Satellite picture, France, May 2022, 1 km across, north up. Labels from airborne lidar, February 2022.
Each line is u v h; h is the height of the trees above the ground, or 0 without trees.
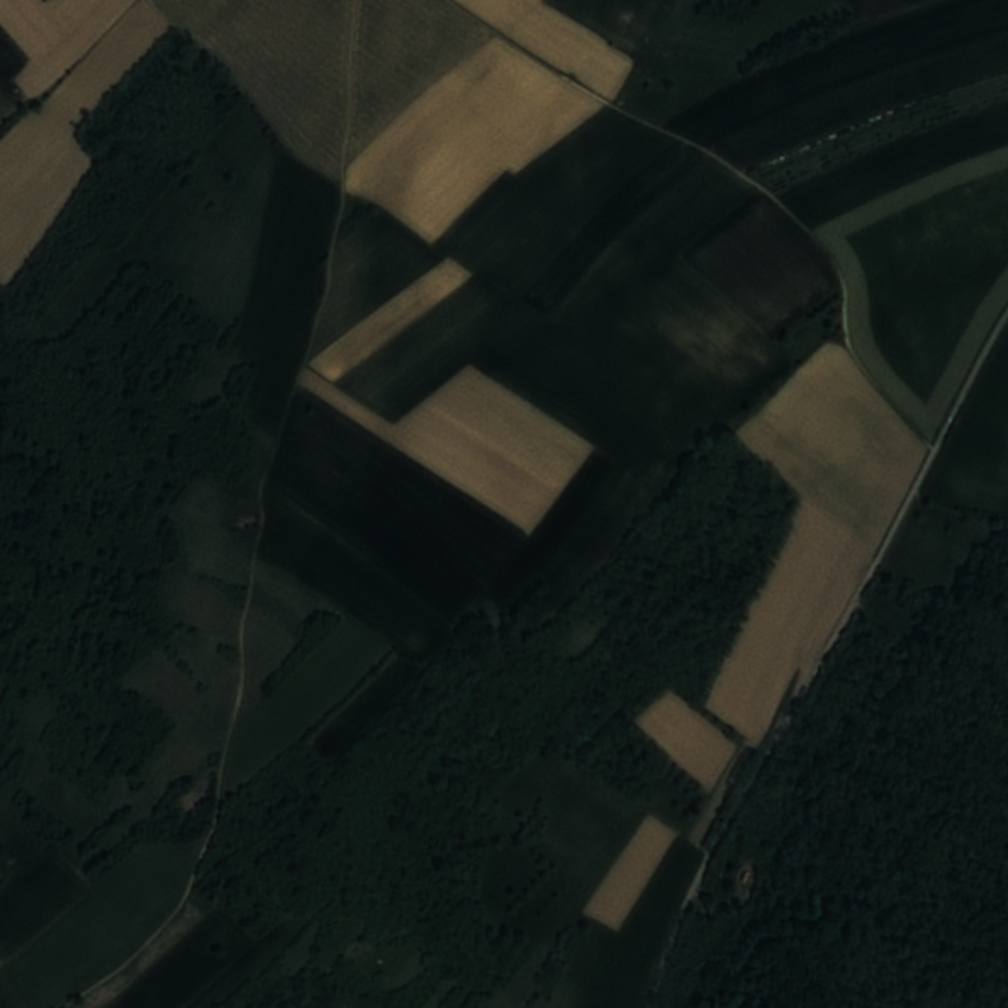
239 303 0
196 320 11
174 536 10
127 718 7
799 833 22
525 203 0
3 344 8
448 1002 6
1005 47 0
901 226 0
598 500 0
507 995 0
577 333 0
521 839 8
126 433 7
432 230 0
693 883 0
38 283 9
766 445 0
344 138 0
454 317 0
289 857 10
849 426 0
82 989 0
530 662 6
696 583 20
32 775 0
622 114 0
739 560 6
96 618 9
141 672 0
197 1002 0
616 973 0
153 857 0
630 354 0
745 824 17
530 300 0
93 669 10
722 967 16
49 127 0
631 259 0
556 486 0
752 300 0
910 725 20
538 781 0
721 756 0
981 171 0
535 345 0
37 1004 0
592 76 0
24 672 9
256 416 0
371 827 8
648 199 0
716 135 0
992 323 0
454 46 0
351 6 0
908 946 29
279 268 0
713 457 22
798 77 0
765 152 0
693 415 0
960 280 0
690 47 0
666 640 11
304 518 0
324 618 9
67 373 11
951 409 0
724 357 0
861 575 0
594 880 0
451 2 0
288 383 0
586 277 0
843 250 0
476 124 0
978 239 0
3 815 0
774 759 10
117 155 16
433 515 0
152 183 6
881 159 0
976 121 0
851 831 16
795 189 0
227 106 11
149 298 12
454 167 0
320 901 6
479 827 9
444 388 0
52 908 0
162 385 11
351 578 0
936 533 0
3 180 0
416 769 12
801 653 0
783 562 0
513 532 0
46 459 7
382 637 0
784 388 0
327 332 0
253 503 0
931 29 0
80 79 0
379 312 0
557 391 0
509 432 0
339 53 0
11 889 0
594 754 13
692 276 0
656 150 0
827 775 20
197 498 0
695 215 0
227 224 0
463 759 7
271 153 0
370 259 0
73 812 0
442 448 0
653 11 0
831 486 0
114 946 0
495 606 0
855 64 0
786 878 20
